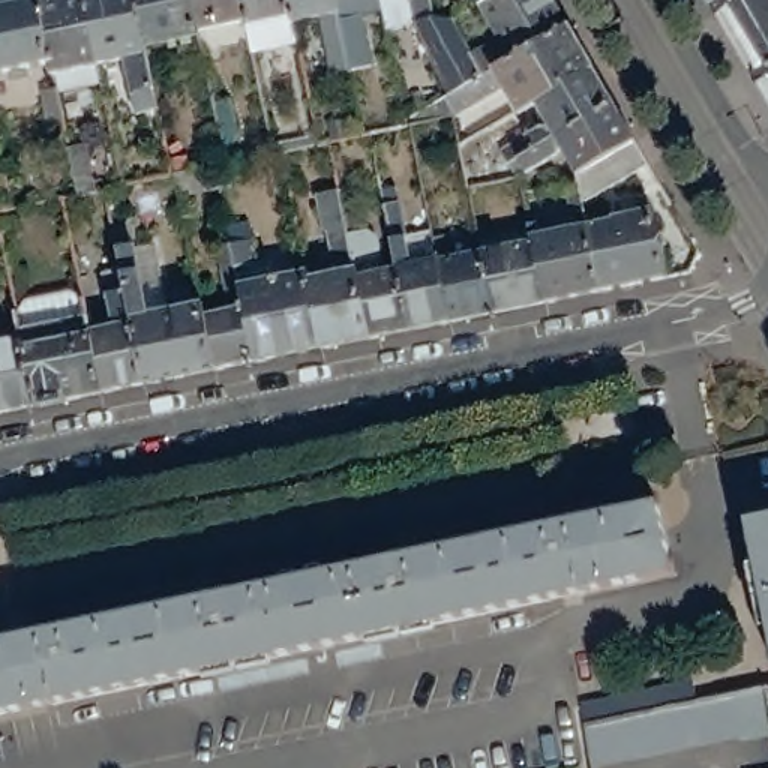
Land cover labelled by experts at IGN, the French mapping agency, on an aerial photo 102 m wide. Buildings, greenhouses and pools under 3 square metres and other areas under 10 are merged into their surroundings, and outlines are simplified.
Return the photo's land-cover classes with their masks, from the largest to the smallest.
<instances>
[{"label":"impervious surface","instance_id":"1","mask_svg":"<svg viewBox=\"0 0 768 768\"><path fill-rule=\"evenodd\" d=\"M384 21V27L393 30L405 48L402 72L405 81L414 87L432 84L426 72V42L420 39L411 15V0H381ZM612 6V21L594 27V33L585 36V45L606 75V81L600 84L603 102L621 105L630 120V99L657 90V96L666 102L669 120L663 129H654L651 135L660 150L672 147L678 138L693 135V147L708 162L705 174L693 183H684L681 189L672 183L663 165L654 171L651 165H642L636 180L642 183L645 198L663 222V243L657 249V258H663V270H696L687 279L654 282L624 294H594L564 300L555 306L504 312L495 315V321L474 318L462 327H426L405 336H387L384 342H345L339 348H315L303 354L276 357L270 363L237 366L228 372L192 375L150 387H126L120 393L81 399L60 408H33L0 417V504L54 495L111 477L159 474L171 468L243 456L264 447H288L312 438L357 432L366 426L414 420L435 411H450L501 396H522L564 384L603 381L609 375H624L639 393L642 405L621 417L597 414L591 420H567L564 432L573 441V447L561 450L558 465L546 474H537L528 462H519L513 468L462 474L369 498H336L324 504L291 507L258 519L213 525L198 534L147 540L135 546L87 552L78 558L33 567L6 564V543L0 537V633L636 498H651L660 504V537L663 543H669L666 558L675 567V576L669 579L597 591L582 597V603L555 600L531 609L495 612L486 618L444 624L423 636L393 639L387 645H381L378 636L366 633L324 636L264 651V660L228 663L225 669L186 666L189 678L183 681H162L117 696L45 708L33 717L0 720V768H594L588 738L591 723L579 720V696L600 690L588 654H597L600 642L612 633L624 630L633 639H651L657 627H687L708 612H735L723 591L738 579L744 576L747 558L741 519L744 513L768 510V450L738 459H717L720 444L708 435L705 408L708 384L714 381V366L720 360H747L765 369L768 375V105L759 93V81L750 78L753 66L741 63L720 42V18L702 15L705 36L696 48H669L660 33V15L675 3L690 6L693 0H606ZM615 33H624L636 48L630 66L621 72L609 66L597 48V42ZM723 189L738 213V228L735 234H729V240L714 243L711 234H705V228L696 225L690 201H696L705 192L717 195ZM648 438H654L657 444L672 438L675 444H681L687 456L684 468L669 480V486L657 483L651 489L645 477L633 471L636 450ZM249 18L219 21L216 15H210V24L198 27L201 39L210 51L246 42ZM474 51H483L486 60H498L513 48L501 33H489L471 39ZM258 90H267L270 84L273 90H291L285 72L294 69V45L252 51ZM99 81L96 72L90 63L60 69L51 57H33L0 66V105L21 108L27 117H33L39 87L51 90L54 84L57 90L75 93L69 117H81L90 108L93 84ZM507 117L456 144L459 165L468 189L477 183L507 180L510 171L507 156L525 150L528 141L525 135H513L510 126L534 108L531 99L516 102L513 96H507ZM117 258L114 252L105 258L102 249L90 243L87 249H81V261H75L78 285L72 291L75 303L87 300L93 321H105L102 297L108 288L96 282V264ZM603 768H768V738L717 741L687 747L678 753L615 762Z\"/></svg>","mask_w":768,"mask_h":768},{"label":"building","instance_id":"2","mask_svg":"<svg viewBox=\"0 0 768 768\"><path fill-rule=\"evenodd\" d=\"M210 15H216L219 21L249 18L246 42L249 51H252L294 45V24L300 18L321 21L318 39V66H336L351 72H354L357 63L372 60L366 30H372V24L384 21L381 0H0V66L33 57H51L60 69L90 63L96 72H108V84L114 87L117 99L129 114L147 117H156V81L150 75V51L162 45L180 48L201 39L198 27L210 24ZM570 0H477V6H486L489 33H501L513 48L498 60H486L483 51H474L471 39L456 30L453 18H435L429 0H411V15L420 39L426 42V54L438 63V75L453 87L444 96L432 99V105H438V114L444 117H453L459 123L456 144L507 117V96H513L516 102L531 99L534 108L510 126L513 135H525L528 141L525 150L507 156L510 171H525L534 177L537 168L561 162L576 171L579 201H591L627 180H636L642 165H651L654 171L663 165L660 150L651 135L642 129L639 120H630L621 105L603 102L600 84L606 81V75L585 45V36L594 33V27H579V21L564 9ZM702 15L720 18V42L741 63L753 66L750 78L759 81V93L768 105V0H693L690 6ZM75 93L57 90L54 84L51 90L39 87L33 117H69ZM210 111L219 123L222 141H243L246 120L234 117L228 90L222 87L210 90ZM72 180L75 192L87 198L96 189L99 174L90 168L93 153L84 150L75 138L72 150H66ZM309 204L318 213L321 225L318 240L327 249H348L345 264L318 270L282 267L273 273L243 276L237 279V300L210 309L201 306L207 294L195 291L189 300H162L156 285L162 276V264L156 261L153 243H117L114 252L117 258L96 264V282L108 288L102 297L105 321H93L87 300L75 303L72 291L30 297L12 309V324L18 327L15 336H0V417L33 408H60L81 399L120 393L126 387H150L192 375L228 372L237 366L270 363L276 357L303 354L315 348H339L345 342H384L387 336H405L426 327H462L474 318L495 321V315L504 312L555 306L564 300L594 294H624L654 282L687 279L696 270H663V258H657V249L663 243V222L645 198L639 207H621L594 219L546 225L495 246H456L453 252H438L432 240L441 237L444 228L435 219H426L420 225L402 222L396 183L384 186L378 213V225H402V234L390 237V252H381L378 234L369 231L351 228L345 216V201L342 180L312 183V192ZM252 225L240 213L228 234L225 252L216 261L219 270L222 273L255 258V249H249ZM660 504L651 498H636L0 633V720L33 717L45 708L117 696L162 681H183L189 678L186 666L225 669L228 663L264 660V651L324 636L366 633L378 636L381 645H387L393 639L423 636L444 624L486 618L495 612L531 609L555 600L582 603V597L597 591L669 579L675 576V567L666 558L669 543H663L660 537ZM747 558L744 576L738 579L768 666V510L744 513L741 519ZM690 681L654 678L633 699H612L600 690L579 696V720L591 723L588 738L594 768H603L615 762L678 753L687 747L717 741L768 738V687L759 684L747 690L696 699Z\"/></svg>","mask_w":768,"mask_h":768},{"label":"deciduous trees","instance_id":"3","mask_svg":"<svg viewBox=\"0 0 768 768\"><path fill-rule=\"evenodd\" d=\"M564 9L579 21V27H594L612 21V6L606 0H570ZM660 33L669 48H696L705 36L702 15L690 6L675 3L660 15ZM375 57L381 63V87L387 99V114H372L366 120V129L393 126L405 114H411L414 87L405 81L402 72L405 48L393 30L384 27V21L372 24V30ZM597 48L609 66L621 72L630 66L636 48L624 33H615L597 42ZM150 75L156 81V117H147L150 138L141 141L135 150L144 156H156L162 147L168 150L177 141V114L171 108V93L192 96L195 126L192 144L186 147V159L195 165V177L201 183L255 180L258 186H267L279 216L276 246L288 252L309 249L297 201L300 195L312 192V183L300 171L297 153L282 150L276 129H267L264 120H246L243 141H222L219 123L210 111V90L222 87V78L213 66L210 51L201 39L180 48L162 45L150 51ZM366 93V87L363 78L354 72H351L348 78L324 75L312 84L315 99L306 102V117L324 114L336 123L345 120L357 117L360 108L357 96ZM630 120H639L642 129L651 135L654 129H663L669 120L666 102L657 96V90L630 99ZM27 117L21 108L0 105V174H21V153L30 144L21 138L18 123ZM75 138L84 150L93 153L99 147H111L108 123L96 117L90 126H75ZM459 123L453 117H444L438 123V132L423 135L417 147L426 165H432L441 174H453L459 165L456 144ZM663 165L672 183L681 189L684 183H693L705 174L708 162L693 147V135L678 138L672 147L660 150ZM507 180L513 183L516 210L552 198L579 201L576 171L561 162L537 168L534 177L525 171H510ZM354 198L345 201V216L351 228L369 231L372 222L366 216L372 210L378 213L384 186H375V177L363 165L351 177ZM57 195L69 198V213L78 222H90L93 207L87 198L75 192L72 180H60L57 186ZM108 201H114V219L126 222L138 210V204H132V183H117L105 189ZM696 225L705 228V234H711L714 243L729 240V234H735L738 228V213L723 189L717 195L705 192L696 201H690ZM165 213L174 228L177 246L192 243L204 228L228 234L240 213H234L228 198L219 192H171L165 198ZM186 276L195 291L207 294L219 288L222 273L219 270L207 273L189 267ZM642 405L639 393L624 375H609L603 381L564 384L522 396H501L450 411H435L414 420L366 426L357 432L312 438L288 447H264L243 456L171 468L159 474L111 477L54 495L0 504V537L6 543V564L33 567L78 558L87 552L135 546L147 540L198 534L213 525L258 519L291 507L324 504L336 498H369L462 474L513 468L519 462H528L537 474H546L558 465L561 450L573 447V441L564 432L567 420H591L597 414L621 417ZM687 456L681 444H675L672 438L657 444L654 438H648L636 450L633 471L645 477L651 489L657 483L669 486V480L684 468ZM744 633L735 612H708L687 627H657L651 639H633L624 630L612 633L600 642L597 654H588L600 690L612 699H633L654 678L690 681L699 669H723L741 660Z\"/></svg>","mask_w":768,"mask_h":768},{"label":"herbaceous vegetation","instance_id":"4","mask_svg":"<svg viewBox=\"0 0 768 768\"><path fill-rule=\"evenodd\" d=\"M372 60L357 63L354 72L363 78L366 87V93L357 96L360 108L372 114H387V99L381 87V63L375 57L372 30H366ZM318 39H309L306 51L294 48V69L285 72L291 90H273V99L282 111V117H276V129L282 150L297 153L300 171L312 183L342 180L345 201L354 198L351 177L363 165L357 159H348L339 150V144L321 147L324 138H339L348 129L345 120L336 123L324 114L306 117V102L315 99L312 84L324 75L348 78L351 72L336 66H318ZM249 51L246 42L210 51L213 66L222 78H231L243 69V57ZM426 72L432 84L414 87L411 114H405L393 126L366 129V138L396 135V147L384 144V162L390 168V180H384V186L396 183L402 222L420 225L426 219H435L444 228L441 237L432 240L438 252H453L456 246H495L546 225L594 219L621 207H639L645 198L642 183L636 180H627L591 201H579L552 198L516 210L513 183L507 180L477 183L468 189L459 165L453 174H441L432 165H426L417 147L423 135L438 132V123L444 117L438 114V105H432V99L444 96L453 87L438 75V63L426 54ZM171 108L177 114V141L168 150L165 174H150L132 183V204H138V210L126 222L114 219V201H108L105 189H96L87 198L93 207L90 222H78L69 213H63V237H54V219L24 216L18 240L30 258L33 282L66 276V252L75 261H81V249H87L90 243L102 249L105 258L114 252L117 243H153L156 261L162 264V276L156 285L162 300H189L195 291L186 276L189 267L207 273L219 270L216 261L225 252L228 234L204 228L192 243L177 246L174 228L165 213V198L171 192H219L228 198L234 213H240L252 225L249 249H255V258L222 273L219 288L207 294L201 306L210 309L237 300V279L243 276L273 273L282 267L318 270L345 264L348 249H327L318 240L321 225L318 213L309 204L312 192L300 195L297 201L309 249L288 252L276 246L279 216L267 186H258L255 180L201 183L195 177V165L186 159V147L192 144L195 126L192 96L171 93ZM132 165H156V156H144L135 150L111 147H99L93 153L90 168L99 174H120ZM372 222L369 231L378 234L381 252H390V237L402 234V225H378V213L372 210L366 216ZM30 297L27 288H15V264L9 255H3L0 276V336H15L18 327L12 324V309ZM735 612L744 633L741 660L723 669H699L690 681L696 699L747 690L759 684L768 687V666L738 579L723 591Z\"/></svg>","mask_w":768,"mask_h":768},{"label":"brushwood","instance_id":"5","mask_svg":"<svg viewBox=\"0 0 768 768\"><path fill-rule=\"evenodd\" d=\"M435 18H453L456 30L471 39L489 33L486 6H477V0H429ZM321 21L300 18L294 24V48L306 51L309 39H318ZM222 87L228 90L234 117L246 120H264L267 129H276V117H282V111L273 99V90L270 84L267 90H258L252 51H249L243 57V69L231 78H222ZM99 81L93 84L90 108L81 117H27L18 123L21 138L30 144L21 153V174H0V276L3 255H9L15 264V288H27L30 297L72 291L78 285L75 261L66 252V276L33 282L30 258L18 240L24 216L54 219V237H63V213H69V198L57 195V186L60 180H72L66 150H72L75 138V126H90L96 117L108 123L111 147L135 150L141 141L150 138L147 117L129 114L117 99L114 87L108 84V72H96ZM372 114L360 108L357 117L345 120L348 129L339 138H324L321 147L339 144V150L348 159H357L375 177V186H384V180H390V168L384 162V144L396 147V135L366 138V120ZM168 150L162 147L156 156V165H132L120 174H99L96 189H105L117 183H132L150 174H165ZM708 435L720 444L717 459H738L768 450V375L765 369L747 360H720L714 366V381L708 384L705 408Z\"/></svg>","mask_w":768,"mask_h":768}]
</instances>
